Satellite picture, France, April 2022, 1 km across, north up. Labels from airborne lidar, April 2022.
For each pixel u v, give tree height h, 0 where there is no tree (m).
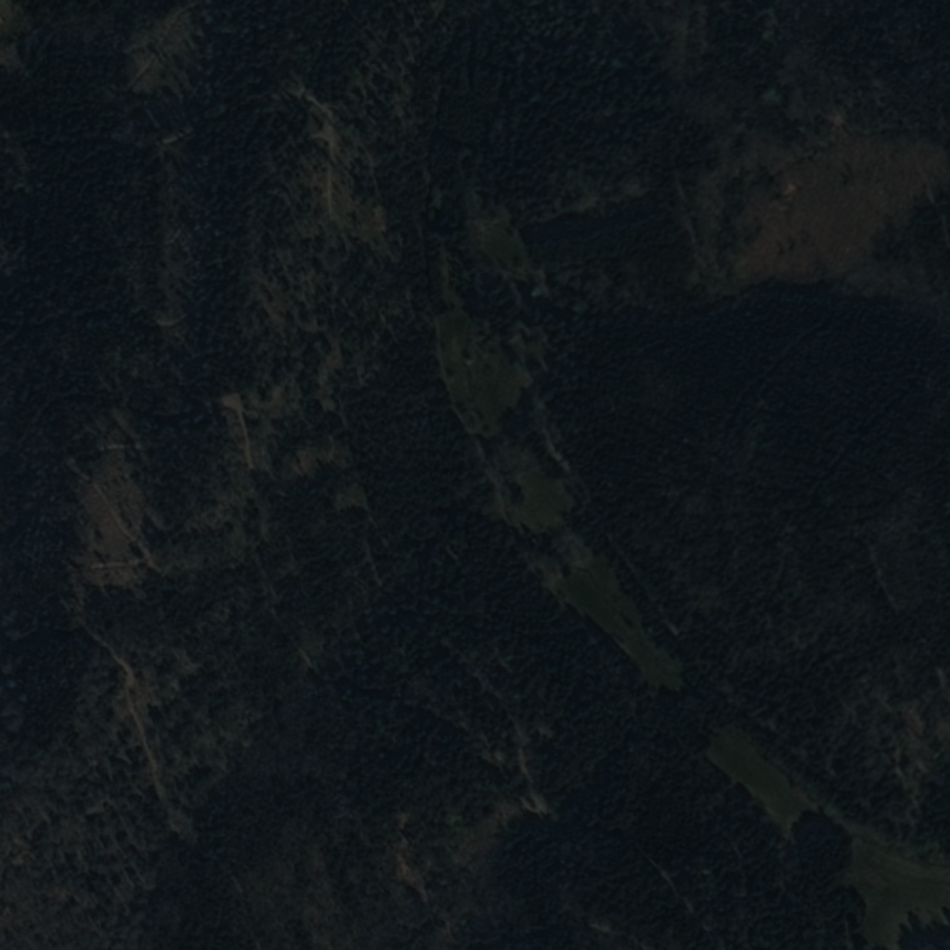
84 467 22
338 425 30
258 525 14
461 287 6
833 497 20
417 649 30
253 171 29
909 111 18
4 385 24
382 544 32
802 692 27
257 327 29
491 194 30
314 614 26
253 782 19
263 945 17
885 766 32
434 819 35
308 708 20
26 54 27
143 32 31
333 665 17
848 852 28
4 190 24
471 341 0
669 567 29
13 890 33
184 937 19
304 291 22
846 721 25
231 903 22
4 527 24
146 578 27
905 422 25
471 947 23
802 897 26
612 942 20
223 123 28
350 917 25
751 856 30
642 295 18
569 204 28
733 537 23
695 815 17
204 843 19
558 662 33
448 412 27
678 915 21
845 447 21
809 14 17
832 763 22
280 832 21
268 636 27
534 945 22
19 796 22
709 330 21
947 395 26
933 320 25
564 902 21
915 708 28
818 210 15
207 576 23
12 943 29
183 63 0
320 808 19
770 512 22
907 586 21
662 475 21
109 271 26
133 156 29
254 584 24
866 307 25
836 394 21
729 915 30
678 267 20
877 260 21
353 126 30
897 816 21
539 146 31
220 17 29
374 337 35
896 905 0
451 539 31
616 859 28
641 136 22
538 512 0
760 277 21
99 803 10
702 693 31
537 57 33
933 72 24
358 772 25
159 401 31
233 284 31
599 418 25
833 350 22
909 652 24
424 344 29
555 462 18
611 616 0
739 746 0
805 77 11
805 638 25
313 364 30
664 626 28
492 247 0
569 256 29
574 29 23
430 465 31
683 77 6
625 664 31
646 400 19
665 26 12
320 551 35
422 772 28
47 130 34
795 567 24
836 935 27
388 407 28
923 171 11
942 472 20
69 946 35
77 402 22
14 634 29
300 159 15
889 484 21
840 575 22
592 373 24
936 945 31
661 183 23
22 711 29
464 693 33
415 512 28
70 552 18
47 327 23
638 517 24
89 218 26
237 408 0
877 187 14
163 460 30
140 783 12
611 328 26
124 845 29
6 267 21
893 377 24
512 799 25
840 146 14
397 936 31
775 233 16
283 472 21
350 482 29
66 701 28
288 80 13
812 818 0
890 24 21
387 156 32
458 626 34
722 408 22
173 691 23
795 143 10
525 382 0
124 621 24
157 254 31
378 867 34
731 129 9
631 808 22
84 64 38
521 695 31
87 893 38
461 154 30
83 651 25
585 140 29
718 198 15
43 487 22
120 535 0
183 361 24
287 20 26
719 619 27
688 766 17
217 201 29
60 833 28
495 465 24
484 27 34
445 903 30
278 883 25
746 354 22
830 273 16
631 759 23
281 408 14
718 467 19
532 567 23
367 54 29
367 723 21
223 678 20
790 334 24
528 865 20
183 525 20
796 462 22
